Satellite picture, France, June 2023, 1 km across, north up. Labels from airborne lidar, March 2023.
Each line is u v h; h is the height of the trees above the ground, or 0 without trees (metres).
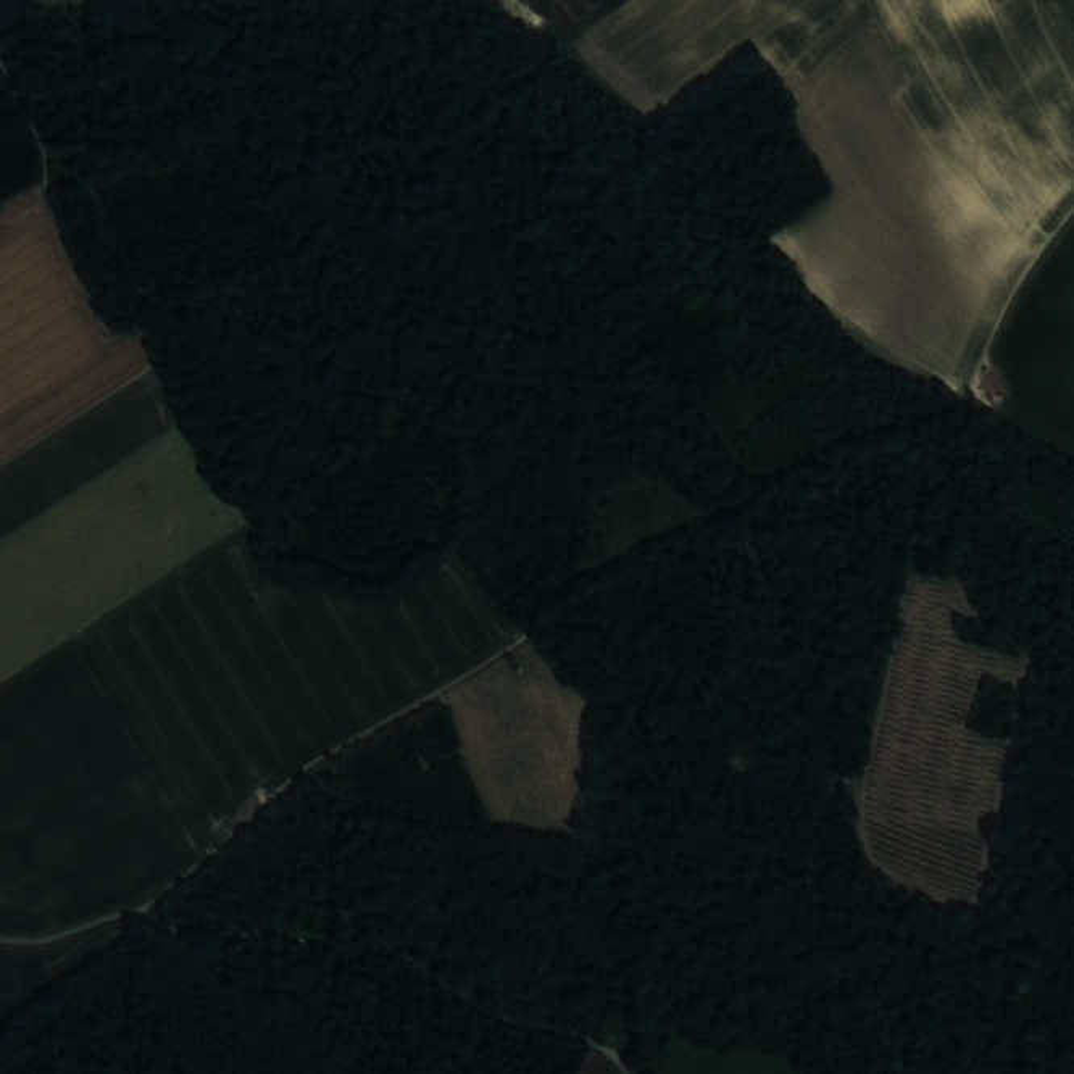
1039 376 0
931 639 0
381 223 25
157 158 24
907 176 0
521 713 0
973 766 0
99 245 19
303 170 25
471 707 0
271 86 24
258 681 0
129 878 0
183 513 0
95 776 0
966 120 0
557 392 23
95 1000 21
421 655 0
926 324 0
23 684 0
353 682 0
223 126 23
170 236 9
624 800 23
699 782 24
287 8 25
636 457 21
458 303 25
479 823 15
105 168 25
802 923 21
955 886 0
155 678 0
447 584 0
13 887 0
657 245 26
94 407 0
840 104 0
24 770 0
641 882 22
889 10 0
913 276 0
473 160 24
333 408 23
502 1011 18
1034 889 21
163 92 14
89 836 0
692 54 0
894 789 0
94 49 25
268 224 11
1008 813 23
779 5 0
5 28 20
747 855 23
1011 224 0
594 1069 0
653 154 27
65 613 0
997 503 18
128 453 0
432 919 23
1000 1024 21
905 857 0
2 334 0
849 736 21
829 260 0
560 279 24
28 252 0
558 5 0
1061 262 0
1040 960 24
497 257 25
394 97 24
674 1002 21
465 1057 16
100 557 0
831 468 22
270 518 21
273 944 16
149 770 0
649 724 26
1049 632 24
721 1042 15
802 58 0
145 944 25
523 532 22
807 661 25
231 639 0
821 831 25
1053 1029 23
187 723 0
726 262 29
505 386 19
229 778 0
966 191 0
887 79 0
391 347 30
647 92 0
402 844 27
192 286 27
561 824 0
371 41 23
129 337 0
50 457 0
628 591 19
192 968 30
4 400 0
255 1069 31
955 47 0
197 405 20
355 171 23
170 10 20
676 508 0
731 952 24
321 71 26
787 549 23
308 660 0
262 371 24
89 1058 23
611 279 29
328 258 26
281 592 0
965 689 0
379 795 7
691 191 30
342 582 16
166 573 0
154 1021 18
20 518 0
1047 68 0
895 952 20
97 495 0
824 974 22
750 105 23
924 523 23
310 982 30
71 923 0
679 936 23
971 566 16
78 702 0
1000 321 0
